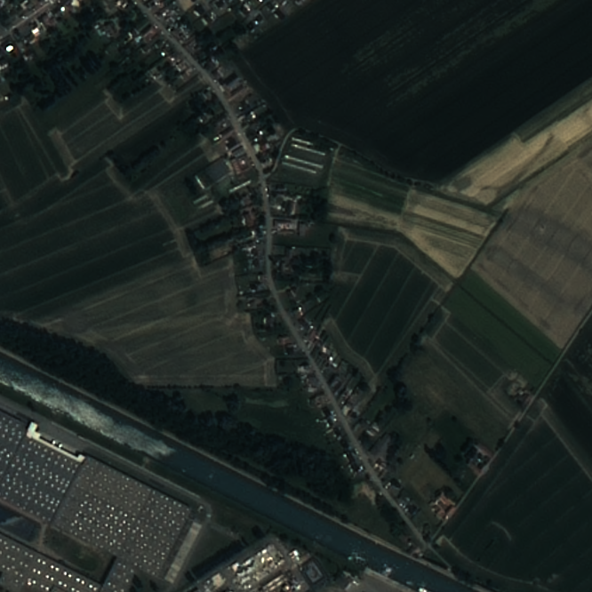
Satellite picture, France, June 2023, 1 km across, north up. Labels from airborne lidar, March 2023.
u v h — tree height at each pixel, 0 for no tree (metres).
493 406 0
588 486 0
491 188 0
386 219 0
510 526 0
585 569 0
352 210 0
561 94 0
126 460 0
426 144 0
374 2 0
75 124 0
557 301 0
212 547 0
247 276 0
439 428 0
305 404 0
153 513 0
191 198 0
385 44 0
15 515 0
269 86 0
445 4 0
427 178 0
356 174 0
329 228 0
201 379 0
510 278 0
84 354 22
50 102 17
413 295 0
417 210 0
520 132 0
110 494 0
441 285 0
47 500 0
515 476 0
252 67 0
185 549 0
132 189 0
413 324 0
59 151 0
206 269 0
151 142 0
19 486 0
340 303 0
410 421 0
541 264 0
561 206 0
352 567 0
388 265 0
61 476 0
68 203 0
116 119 0
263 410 0
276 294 0
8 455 0
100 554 0
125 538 0
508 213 0
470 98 0
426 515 0
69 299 0
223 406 0
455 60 0
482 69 0
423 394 0
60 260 0
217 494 0
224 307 0
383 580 0
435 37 0
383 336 0
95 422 0
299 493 15
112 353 0
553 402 0
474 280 0
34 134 0
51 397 0
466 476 0
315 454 20
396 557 0
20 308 0
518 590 0
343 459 0
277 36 0
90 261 0
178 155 0
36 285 0
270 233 0
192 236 15
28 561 0
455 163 0
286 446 23
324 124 0
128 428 0
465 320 0
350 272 0
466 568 0
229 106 0
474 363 0
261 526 0
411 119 0
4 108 0
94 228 0
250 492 0
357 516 0
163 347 0
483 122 0
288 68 0
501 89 0
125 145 0
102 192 0
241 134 0
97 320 0
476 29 0
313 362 0
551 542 0
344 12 0
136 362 0
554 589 0
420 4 0
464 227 0
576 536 0
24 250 0
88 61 16
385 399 0
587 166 0
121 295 0
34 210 0
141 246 0
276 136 0
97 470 0
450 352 0
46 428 0
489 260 0
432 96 0
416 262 0
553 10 0
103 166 0
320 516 0
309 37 0
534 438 0
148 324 0
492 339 0
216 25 0
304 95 0
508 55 0
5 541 0
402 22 0
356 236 0
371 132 0
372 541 0
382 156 0
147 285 0
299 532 0
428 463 0
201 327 0
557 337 0
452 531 0
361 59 0
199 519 0
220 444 8
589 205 0
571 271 0
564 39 0
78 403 0
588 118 0
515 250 0
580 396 0
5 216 0
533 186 0
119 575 0
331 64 0
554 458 0
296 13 0
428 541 11
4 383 0
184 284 0
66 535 0
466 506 0
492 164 0
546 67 0
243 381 0
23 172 0
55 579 0
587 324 0
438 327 0
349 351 0
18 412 0
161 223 0
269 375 0
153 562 0
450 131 0
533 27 0
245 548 0
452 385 0
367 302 0
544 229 0
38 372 0
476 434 0
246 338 0
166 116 0
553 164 0
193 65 0
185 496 0
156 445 0
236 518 0
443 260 0
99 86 0
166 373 0
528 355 0
